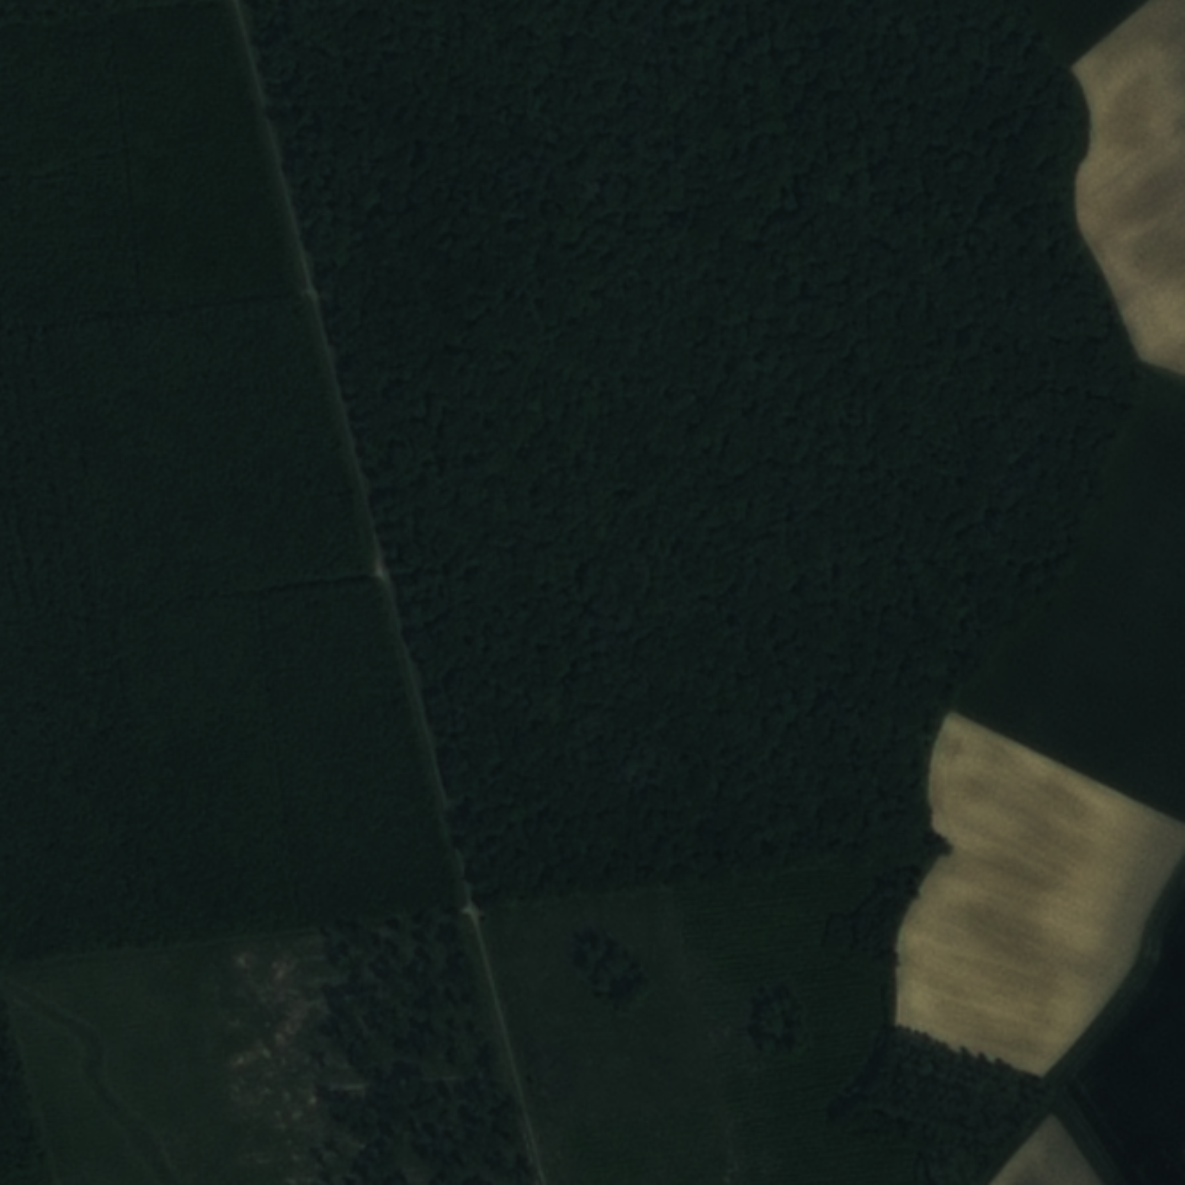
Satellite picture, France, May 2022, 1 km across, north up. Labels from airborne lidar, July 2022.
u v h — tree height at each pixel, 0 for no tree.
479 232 21
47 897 17
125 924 14
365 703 12
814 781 28
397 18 24
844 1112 25
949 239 23
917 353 26
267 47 18
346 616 12
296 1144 0
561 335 23
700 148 26
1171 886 0
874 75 28
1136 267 0
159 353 15
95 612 14
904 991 0
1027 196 23
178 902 14
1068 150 20
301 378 14
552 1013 0
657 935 0
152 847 14
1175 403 0
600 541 24
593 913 0
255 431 14
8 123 9
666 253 21
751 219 27
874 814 30
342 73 23
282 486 16
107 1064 0
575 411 27
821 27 23
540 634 25
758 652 31
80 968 0
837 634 25
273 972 0
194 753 13
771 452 27
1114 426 25
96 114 9
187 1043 0
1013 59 25
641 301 24
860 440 27
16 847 17
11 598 16
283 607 12
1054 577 22
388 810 13
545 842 25
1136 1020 0
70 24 6
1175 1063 0
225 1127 0
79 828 15
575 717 21
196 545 16
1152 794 0
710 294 26
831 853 27
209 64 6
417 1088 27
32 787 17
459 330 26
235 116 8
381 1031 29
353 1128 24
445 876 13
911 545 24
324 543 14
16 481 15
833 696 25
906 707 26
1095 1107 0
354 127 19
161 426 17
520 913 0
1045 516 28
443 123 24
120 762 15
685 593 24
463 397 22
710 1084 0
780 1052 22
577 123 25
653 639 27
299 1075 0
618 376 23
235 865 15
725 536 22
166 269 6
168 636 13
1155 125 0
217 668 15
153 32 9
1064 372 33
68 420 16
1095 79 0
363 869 14
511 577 27
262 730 14
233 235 8
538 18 25
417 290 27
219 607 14
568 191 28
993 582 26
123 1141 0
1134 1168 0
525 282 26
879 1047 7
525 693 30
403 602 10
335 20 24
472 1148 29
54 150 8
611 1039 0
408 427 27
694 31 26
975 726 0
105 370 17
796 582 18
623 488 18
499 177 24
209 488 16
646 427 28
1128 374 6
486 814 29
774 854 30
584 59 22
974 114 34
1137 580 0
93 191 7
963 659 21
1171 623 0
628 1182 0
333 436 12
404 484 28
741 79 28
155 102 8
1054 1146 0
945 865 0
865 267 24
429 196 24
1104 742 0
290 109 8
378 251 23
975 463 31
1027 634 0
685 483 23
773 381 26
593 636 29
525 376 24
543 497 29
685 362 24
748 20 28
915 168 27
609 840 24
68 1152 0
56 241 7
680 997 0
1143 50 0
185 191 8
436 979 25
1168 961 0
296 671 13
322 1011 0
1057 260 25
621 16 25
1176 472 0
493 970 0
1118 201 0
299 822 13
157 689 15
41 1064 0
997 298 18
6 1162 18
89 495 14
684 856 24
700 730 26
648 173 25
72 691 16
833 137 24
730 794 24
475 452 20
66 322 12
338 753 13
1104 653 0
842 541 27
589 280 23
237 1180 0
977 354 28
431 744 0
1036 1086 20
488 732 24
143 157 8
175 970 0
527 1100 0
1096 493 24
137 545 16
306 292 0
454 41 25
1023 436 28
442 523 26
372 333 23
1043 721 0
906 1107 29
